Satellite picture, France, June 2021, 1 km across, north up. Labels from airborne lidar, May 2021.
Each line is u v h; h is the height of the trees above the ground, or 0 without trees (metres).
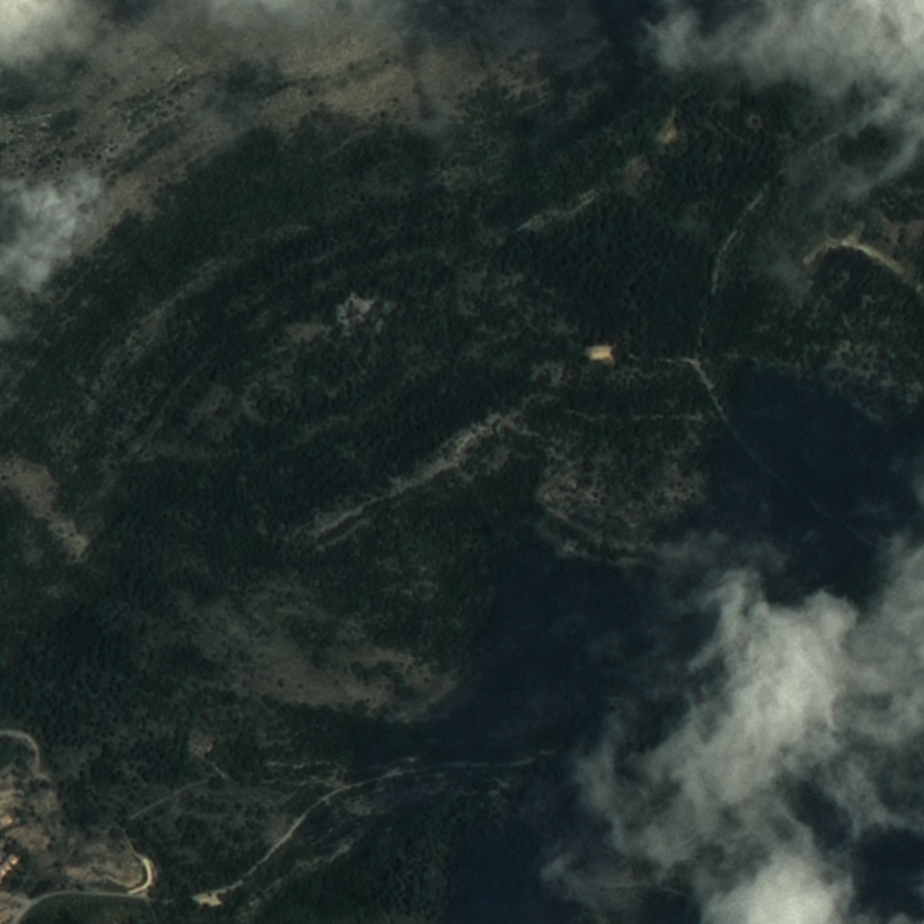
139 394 8
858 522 7
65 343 6
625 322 8
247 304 8
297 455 7
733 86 7
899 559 8
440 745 8
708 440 6
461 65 0
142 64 0
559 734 10
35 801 0
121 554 7
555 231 6
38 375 8
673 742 9
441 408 6
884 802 9
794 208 6
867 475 6
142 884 0
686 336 9
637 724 13
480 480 9
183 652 6
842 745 12
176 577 7
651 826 8
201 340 7
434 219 9
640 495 7
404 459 8
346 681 0
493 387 6
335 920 8
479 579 8
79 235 0
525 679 7
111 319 7
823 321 7
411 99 0
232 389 7
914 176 7
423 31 0
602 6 10
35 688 6
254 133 6
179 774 7
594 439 7
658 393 10
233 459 7
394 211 11
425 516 7
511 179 7
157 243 7
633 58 10
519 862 14
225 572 7
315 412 6
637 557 10
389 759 8
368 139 8
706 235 6
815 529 9
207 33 0
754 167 11
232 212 9
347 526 8
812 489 10
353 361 9
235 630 0
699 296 10
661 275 12
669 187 7
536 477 7
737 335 7
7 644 7
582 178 11
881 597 8
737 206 7
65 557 7
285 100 0
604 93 6
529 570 10
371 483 7
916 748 8
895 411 6
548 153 7
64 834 0
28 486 0
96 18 0
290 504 8
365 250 9
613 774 11
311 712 7
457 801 10
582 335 8
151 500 8
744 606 9
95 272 7
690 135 10
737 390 6
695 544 7
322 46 0
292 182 8
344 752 7
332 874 10
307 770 7
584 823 13
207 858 5
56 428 6
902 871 8
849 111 9
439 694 0
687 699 9
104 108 0
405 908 14
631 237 13
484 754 8
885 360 6
